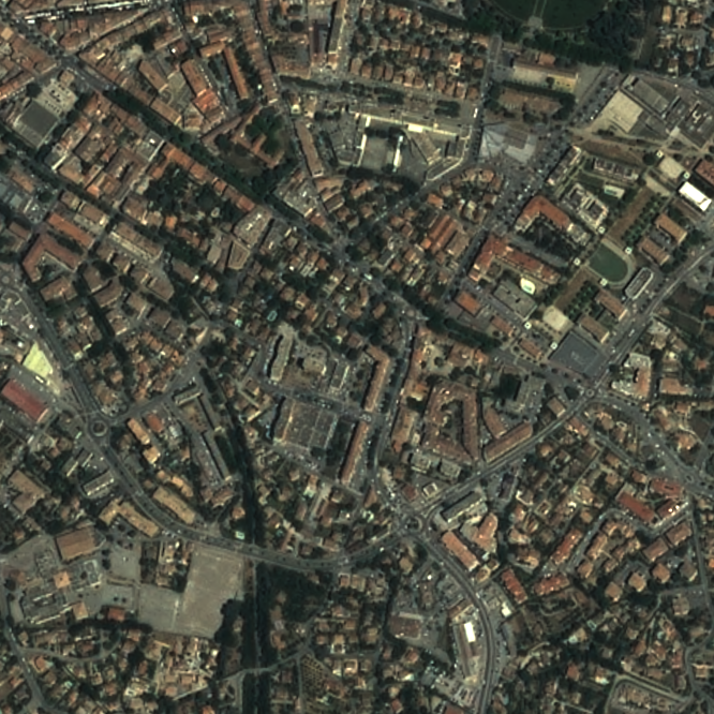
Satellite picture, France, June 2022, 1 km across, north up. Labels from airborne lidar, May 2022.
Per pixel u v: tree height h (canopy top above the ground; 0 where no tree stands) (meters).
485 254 0
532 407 0
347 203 13
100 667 10
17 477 0
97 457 0
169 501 0
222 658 14
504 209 7
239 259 0
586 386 0
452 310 0
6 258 13
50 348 6
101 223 0
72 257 0
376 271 14
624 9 14
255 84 10
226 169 15
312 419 0
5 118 0
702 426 0
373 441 7
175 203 7
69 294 0
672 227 0
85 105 15
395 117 0
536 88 10
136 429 0
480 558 0
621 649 7
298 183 0
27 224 11
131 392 8
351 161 0
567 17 0
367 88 10
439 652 0
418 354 0
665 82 0
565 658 15
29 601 0
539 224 6
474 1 21
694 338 8
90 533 0
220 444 17
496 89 13
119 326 0
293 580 6
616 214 6
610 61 15
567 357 0
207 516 8
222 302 13
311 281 10
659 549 0
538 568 6
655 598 9
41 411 0
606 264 0
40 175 13
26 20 0
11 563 0
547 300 11
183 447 7
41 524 8
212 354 6
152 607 0
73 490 13
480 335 12
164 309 10
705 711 8
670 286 0
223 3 0
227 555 0
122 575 0
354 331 13
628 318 0
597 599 14
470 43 8
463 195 6
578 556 0
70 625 9
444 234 0
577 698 0
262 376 10
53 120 0
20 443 7
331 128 0
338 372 0
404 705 7
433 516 0
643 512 0
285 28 8
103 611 8
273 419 0
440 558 0
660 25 8
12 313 0
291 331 0
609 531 0
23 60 0
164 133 17
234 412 12
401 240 0
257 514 8
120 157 0
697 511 10
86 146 0
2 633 7
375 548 6
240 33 8
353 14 0
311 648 10
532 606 6
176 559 6
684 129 0
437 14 11
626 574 0
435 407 0
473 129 0
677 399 10
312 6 0
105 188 0
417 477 0
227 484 0
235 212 13
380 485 0
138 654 13
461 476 6
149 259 0
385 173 6
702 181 7
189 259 13
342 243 0
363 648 8
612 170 0
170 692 0
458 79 6
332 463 13
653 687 0
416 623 0
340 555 0
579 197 0
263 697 11
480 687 0
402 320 9
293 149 6
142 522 0
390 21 14
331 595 12
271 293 9
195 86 0
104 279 9
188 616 0
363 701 0
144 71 0
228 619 21
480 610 0
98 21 0
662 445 0
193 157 14
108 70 0
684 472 0
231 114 0
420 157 0
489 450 0
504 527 11
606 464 7
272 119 14
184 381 0
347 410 0
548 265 7
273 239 0
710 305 11
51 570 0
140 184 0
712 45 12
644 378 0
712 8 0
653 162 14
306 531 0
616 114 0
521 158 0
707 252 0
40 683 6
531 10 0
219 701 8
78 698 6
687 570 0
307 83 10
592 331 0
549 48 16
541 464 17
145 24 0
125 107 16
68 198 0
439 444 0
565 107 12
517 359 0
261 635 7
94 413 0
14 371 0
